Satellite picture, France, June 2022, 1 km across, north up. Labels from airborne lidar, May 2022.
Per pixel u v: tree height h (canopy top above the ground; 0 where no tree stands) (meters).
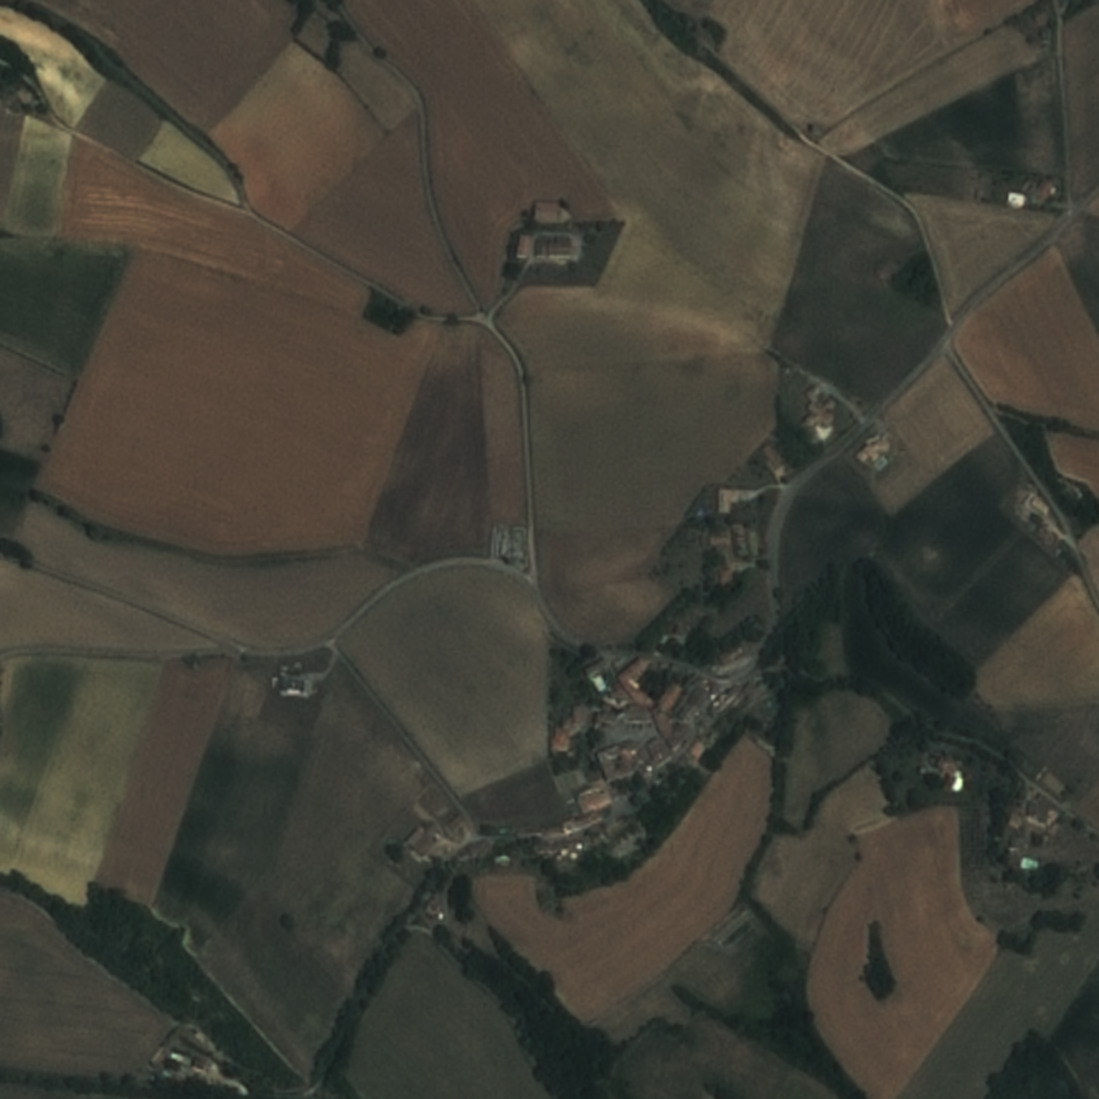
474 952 10
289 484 0
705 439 0
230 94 0
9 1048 0
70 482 0
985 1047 0
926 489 0
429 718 0
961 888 0
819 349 0
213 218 0
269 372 0
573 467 0
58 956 0
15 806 0
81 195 0
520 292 0
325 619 0
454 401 0
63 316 0
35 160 0
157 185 0
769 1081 0
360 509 0
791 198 0
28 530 0
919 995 0
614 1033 0
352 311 0
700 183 0
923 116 0
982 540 0
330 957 0
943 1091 0
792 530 0
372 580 0
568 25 0
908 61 0
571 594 0
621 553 0
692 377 0
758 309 0
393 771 0
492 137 0
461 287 0
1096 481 0
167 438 0
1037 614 0
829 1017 0
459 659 0
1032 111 0
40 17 8
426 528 0
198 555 0
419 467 0
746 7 0
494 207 0
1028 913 0
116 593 0
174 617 0
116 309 0
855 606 0
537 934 0
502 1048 0
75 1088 13
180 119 0
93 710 0
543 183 0
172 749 0
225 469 0
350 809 0
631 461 0
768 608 0
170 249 0
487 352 0
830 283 0
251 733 0
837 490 0
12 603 0
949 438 0
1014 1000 0
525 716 0
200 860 0
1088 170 0
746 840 0
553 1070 19
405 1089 0
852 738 0
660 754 0
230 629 0
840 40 0
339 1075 10
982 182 0
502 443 0
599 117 0
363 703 0
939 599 0
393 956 15
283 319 0
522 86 0
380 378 0
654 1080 0
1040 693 0
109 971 11
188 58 0
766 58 0
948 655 10
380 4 0
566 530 0
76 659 0
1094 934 0
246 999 0
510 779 0
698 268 0
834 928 0
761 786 0
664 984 0
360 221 0
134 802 0
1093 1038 0
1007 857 7
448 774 0
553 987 9
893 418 0
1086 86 0
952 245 0
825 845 0
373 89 0
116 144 0
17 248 0
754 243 0
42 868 0
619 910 0
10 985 0
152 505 0
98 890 11
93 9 0
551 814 0
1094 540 0
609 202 0
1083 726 0
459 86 0
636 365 0
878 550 0
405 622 0
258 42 0
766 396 0
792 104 0
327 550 0
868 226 0
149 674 0
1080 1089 7
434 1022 0
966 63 0
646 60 0
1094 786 0
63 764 0
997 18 0
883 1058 0
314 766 0
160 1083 15
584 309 0
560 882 9
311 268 0
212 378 0
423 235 0
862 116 0
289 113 0
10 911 0
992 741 6
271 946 0
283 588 0
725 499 0
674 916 0
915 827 0
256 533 0
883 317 0
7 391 0
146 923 7
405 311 7
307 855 0
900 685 0
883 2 0
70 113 0
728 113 0
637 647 7
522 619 0
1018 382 0
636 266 0
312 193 0
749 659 0
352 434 0
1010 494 0
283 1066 6
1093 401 0
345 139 0
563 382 0
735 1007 0
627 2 0
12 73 11
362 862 0
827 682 8
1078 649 0
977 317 0
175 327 0
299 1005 0
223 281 0
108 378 0
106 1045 0
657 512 0
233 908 0
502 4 0
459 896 12
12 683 0
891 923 0
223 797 0
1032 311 0
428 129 0
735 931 0
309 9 16
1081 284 0
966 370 0
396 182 0
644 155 0
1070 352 0
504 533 0
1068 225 0
